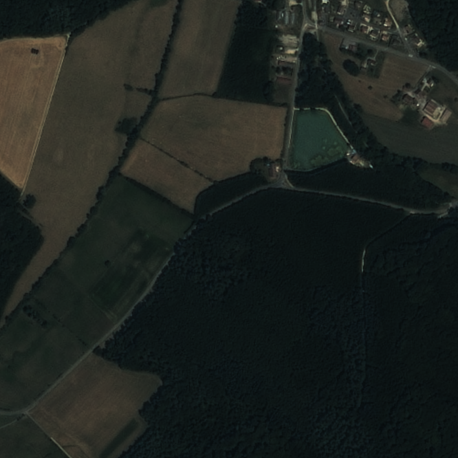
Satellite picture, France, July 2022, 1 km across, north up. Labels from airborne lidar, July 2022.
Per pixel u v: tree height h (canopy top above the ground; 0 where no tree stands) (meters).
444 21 26
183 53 0
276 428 28
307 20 0
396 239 14
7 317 9
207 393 26
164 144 0
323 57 23
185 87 0
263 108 0
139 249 0
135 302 0
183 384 28
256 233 12
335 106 25
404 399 29
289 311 19
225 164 0
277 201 11
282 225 12
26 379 0
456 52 24
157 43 0
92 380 0
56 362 0
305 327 18
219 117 0
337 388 21
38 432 0
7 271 22
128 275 0
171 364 25
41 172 0
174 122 0
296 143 0
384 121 0
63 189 0
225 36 0
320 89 29
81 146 0
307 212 14
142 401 0
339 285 15
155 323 25
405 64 0
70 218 0
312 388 15
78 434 0
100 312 0
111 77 0
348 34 0
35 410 0
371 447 29
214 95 7
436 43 23
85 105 0
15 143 0
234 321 18
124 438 0
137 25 0
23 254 26
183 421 18
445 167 17
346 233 13
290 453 29
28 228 21
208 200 14
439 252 27
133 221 0
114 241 0
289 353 16
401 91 11
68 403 0
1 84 0
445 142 0
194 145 0
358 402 29
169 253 0
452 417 30
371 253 10
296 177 15
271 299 18
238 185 15
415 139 0
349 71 22
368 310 24
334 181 17
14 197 15
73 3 23
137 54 0
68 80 0
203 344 18
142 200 0
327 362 16
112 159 0
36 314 10
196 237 21
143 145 0
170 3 0
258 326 17
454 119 0
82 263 0
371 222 14
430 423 31
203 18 0
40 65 0
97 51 0
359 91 0
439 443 22
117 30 0
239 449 26
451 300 22
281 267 16
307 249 11
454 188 0
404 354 19
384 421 14
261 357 17
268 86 20
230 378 21
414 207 16
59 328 0
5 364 0
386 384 19
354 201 13
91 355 0
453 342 24
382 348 14
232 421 9
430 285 23
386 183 16
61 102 0
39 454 0
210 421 11
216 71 0
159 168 0
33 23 18
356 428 21
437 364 21
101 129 0
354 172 16
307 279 14
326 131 0
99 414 0
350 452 36
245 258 14
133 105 0
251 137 0
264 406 11
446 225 11
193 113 0
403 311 11
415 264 33
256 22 20
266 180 9
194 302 19
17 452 0
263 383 26
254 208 11
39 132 0
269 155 0
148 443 23
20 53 0
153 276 0
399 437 30
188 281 19
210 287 29
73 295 0
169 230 0
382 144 7
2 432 0
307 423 20
